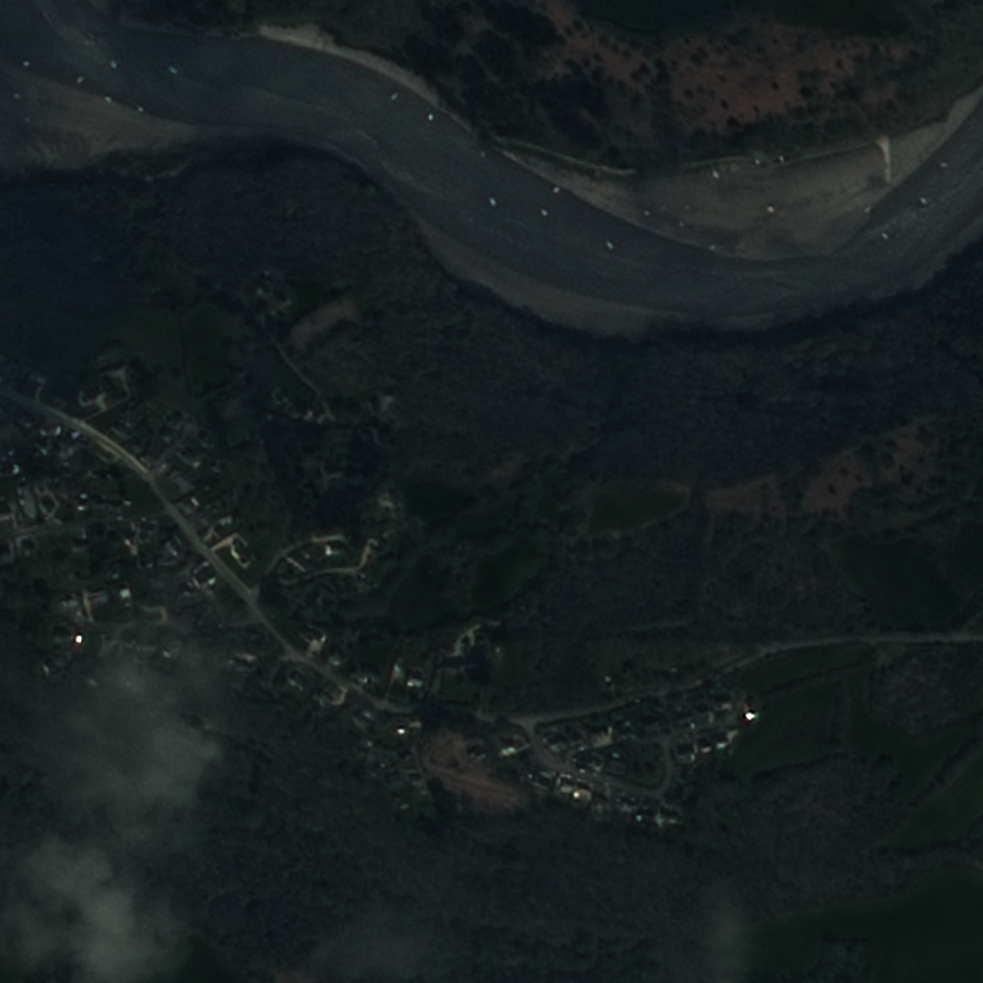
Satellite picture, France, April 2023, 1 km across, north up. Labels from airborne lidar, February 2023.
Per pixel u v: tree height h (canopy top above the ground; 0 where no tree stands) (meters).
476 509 9
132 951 19
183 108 0
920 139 0
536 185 0
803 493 12
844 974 9
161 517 0
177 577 0
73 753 17
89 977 20
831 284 0
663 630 8
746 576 9
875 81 15
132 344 0
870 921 0
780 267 0
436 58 26
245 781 16
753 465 17
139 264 23
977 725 6
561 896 23
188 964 0
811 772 6
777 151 11
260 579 0
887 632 6
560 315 0
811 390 23
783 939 0
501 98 22
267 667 8
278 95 0
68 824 17
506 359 25
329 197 20
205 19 14
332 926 21
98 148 0
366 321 8
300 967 20
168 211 15
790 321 0
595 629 15
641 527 0
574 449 11
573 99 25
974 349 16
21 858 21
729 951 0
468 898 26
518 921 28
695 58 6
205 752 17
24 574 7
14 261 23
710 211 0
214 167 9
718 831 15
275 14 16
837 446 16
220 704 13
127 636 0
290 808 25
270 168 6
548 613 10
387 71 0
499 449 16
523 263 0
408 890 26
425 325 22
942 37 13
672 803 10
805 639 0
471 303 25
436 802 16
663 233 0
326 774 21
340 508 22
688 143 14
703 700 9
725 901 16
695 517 11
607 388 17
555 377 16
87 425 0
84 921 25
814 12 0
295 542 8
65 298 11
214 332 0
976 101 0
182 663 7
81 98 0
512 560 0
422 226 0
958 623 9
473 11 11
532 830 15
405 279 25
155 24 0
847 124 10
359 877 21
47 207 14
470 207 0
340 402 14
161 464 0
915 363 15
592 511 0
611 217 0
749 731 12
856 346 17
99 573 7
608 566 8
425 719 15
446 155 0
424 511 0
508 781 16
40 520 6
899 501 8
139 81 0
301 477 15
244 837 22
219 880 17
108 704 13
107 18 0
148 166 0
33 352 0
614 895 22
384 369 15
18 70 0
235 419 0
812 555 9
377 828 19
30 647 10
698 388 20
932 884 0
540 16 6
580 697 6
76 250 23
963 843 8
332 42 0
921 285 0
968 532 0
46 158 0
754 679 0
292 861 20
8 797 8
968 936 0
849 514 7
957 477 9
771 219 0
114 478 11
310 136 0
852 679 0
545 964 7
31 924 15
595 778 0
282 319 8
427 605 0
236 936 18
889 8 0
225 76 0
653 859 20
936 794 6
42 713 15
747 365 8
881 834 10
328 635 7
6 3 0
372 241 24
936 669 7
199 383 0
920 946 0
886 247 0
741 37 10
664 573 14
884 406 12
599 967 7
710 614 10
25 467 8
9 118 0
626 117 0
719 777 7
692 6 0
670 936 19
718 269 0
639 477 10
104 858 9
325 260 14
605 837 19
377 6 17
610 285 0
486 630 8
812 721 0
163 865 21
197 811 18
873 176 0
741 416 22
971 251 0
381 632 13
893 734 0
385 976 24
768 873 16
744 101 0
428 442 9
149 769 15
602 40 7
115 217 15
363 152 0
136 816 10
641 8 0
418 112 0
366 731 10
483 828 14
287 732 11
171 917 16
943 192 0
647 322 0
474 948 16
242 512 7
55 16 0
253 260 14
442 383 22
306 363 11
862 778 9
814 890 19
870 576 0
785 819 9
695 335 0
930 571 0
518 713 6
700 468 18
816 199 0
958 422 7
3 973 0
